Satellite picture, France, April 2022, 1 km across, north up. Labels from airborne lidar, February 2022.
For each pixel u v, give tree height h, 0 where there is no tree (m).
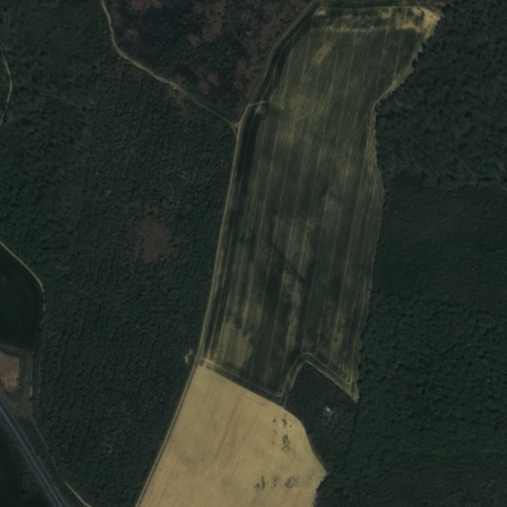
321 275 0
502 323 20
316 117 0
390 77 0
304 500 0
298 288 0
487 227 8
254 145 0
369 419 21
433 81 8
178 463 0
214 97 0
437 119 27
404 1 0
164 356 14
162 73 6
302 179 0
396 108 25
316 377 11
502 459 7
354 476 21
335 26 0
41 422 14
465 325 27
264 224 0
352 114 0
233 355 0
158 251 0
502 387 19
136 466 8
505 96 28
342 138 0
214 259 6
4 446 0
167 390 9
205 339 0
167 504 0
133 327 10
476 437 23
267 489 0
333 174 0
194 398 0
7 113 27
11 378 0
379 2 0
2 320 0
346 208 0
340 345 0
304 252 0
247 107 0
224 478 0
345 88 0
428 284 11
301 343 0
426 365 20
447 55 26
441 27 12
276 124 0
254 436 0
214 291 0
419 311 24
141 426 11
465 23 22
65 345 8
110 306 9
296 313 0
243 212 0
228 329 0
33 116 15
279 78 0
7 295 0
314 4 0
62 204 26
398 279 10
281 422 0
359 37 0
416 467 6
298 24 0
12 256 0
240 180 0
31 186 25
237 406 0
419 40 0
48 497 0
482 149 27
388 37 0
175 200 6
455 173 25
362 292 0
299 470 0
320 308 0
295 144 0
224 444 0
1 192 10
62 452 9
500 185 26
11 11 17
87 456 8
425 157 29
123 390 13
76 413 11
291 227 0
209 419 0
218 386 0
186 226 7
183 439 0
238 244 0
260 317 0
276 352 0
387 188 13
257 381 0
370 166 0
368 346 20
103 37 7
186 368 10
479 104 25
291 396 9
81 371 14
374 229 0
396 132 26
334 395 14
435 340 23
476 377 23
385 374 23
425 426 22
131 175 8
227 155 7
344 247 0
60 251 23
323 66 0
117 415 9
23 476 9
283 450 0
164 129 6
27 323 0
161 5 0
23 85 27
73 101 25
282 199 0
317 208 0
